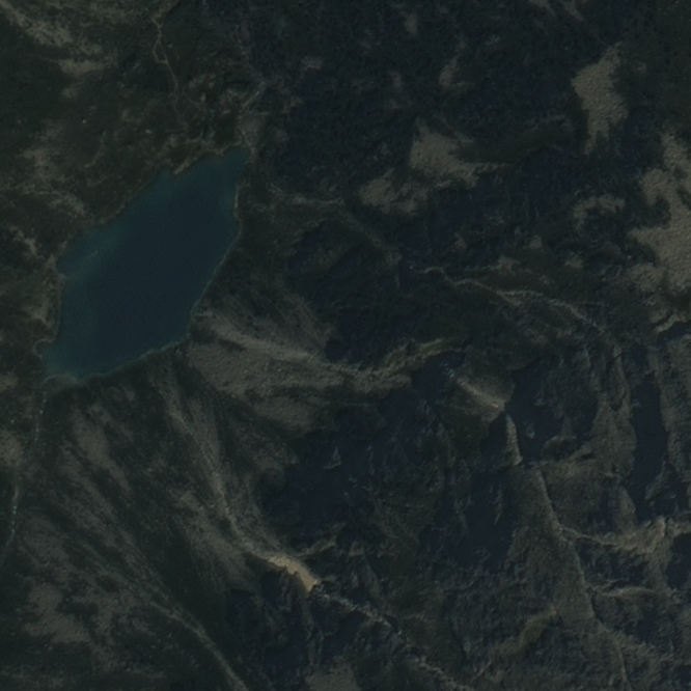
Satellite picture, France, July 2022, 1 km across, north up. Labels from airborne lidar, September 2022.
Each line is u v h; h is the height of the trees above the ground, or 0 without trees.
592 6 0
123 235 0
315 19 7
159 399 0
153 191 0
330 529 9
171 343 0
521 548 0
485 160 0
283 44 8
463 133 0
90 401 0
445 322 0
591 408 0
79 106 0
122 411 0
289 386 0
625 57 0
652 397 0
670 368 0
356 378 0
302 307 0
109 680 0
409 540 0
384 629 0
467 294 0
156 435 0
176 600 0
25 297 0
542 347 0
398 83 0
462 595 0
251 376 0
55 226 0
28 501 0
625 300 0
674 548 0
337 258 0
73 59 0
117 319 0
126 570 0
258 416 0
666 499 0
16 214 0
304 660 0
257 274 0
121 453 0
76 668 0
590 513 0
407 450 0
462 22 10
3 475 0
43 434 0
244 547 0
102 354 0
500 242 10
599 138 0
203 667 0
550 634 0
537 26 0
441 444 0
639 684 0
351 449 0
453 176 0
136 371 0
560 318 0
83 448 0
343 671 0
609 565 0
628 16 7
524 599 0
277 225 0
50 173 0
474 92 0
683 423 0
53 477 0
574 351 0
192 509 0
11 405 0
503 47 0
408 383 0
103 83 0
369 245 0
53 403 0
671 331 0
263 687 0
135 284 0
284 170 7
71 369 0
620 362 0
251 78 0
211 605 0
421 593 0
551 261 0
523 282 0
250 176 0
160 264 0
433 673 0
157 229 0
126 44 0
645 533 0
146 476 0
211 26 0
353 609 0
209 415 0
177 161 0
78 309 0
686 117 0
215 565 0
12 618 0
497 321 0
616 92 0
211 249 0
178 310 0
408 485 0
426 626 0
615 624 0
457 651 0
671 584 0
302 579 0
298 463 0
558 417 0
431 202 0
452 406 0
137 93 0
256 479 0
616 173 0
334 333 0
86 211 0
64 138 0
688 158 0
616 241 7
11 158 0
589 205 0
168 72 0
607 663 0
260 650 9
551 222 0
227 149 0
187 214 0
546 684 0
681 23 0
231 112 0
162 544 0
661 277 0
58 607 0
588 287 0
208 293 0
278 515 8
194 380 0
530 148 0
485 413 0
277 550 0
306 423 0
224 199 0
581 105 0
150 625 0
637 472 0
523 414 0
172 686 0
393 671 0
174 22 0
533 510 0
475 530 0
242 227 0
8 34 0
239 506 0
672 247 0
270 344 0
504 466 0
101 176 0
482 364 0
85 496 0
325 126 6
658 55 0
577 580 0
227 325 0
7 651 0
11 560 0
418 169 0
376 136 0
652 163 6
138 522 0
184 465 0
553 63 10
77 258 0
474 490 0
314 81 9
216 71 0
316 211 0
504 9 7
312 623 0
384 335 9
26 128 0
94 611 0
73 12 0
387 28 7
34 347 0
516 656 0
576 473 0
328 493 7
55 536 0
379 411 0
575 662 0
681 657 0
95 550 0
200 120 0
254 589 0
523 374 0
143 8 0
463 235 0
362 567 0
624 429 0
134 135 0
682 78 0
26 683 0
